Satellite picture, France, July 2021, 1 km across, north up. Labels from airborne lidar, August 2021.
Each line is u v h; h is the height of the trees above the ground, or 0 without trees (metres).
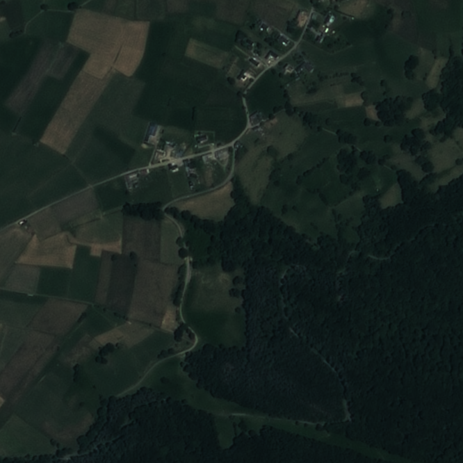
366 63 0
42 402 0
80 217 0
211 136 0
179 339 18
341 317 30
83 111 0
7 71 0
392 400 28
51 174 0
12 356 0
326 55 0
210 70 0
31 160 0
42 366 0
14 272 0
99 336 0
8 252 0
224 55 0
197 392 0
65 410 0
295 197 0
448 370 20
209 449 27
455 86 19
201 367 18
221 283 0
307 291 28
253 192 0
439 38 0
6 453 0
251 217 11
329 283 27
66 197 0
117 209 0
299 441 31
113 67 0
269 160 0
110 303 0
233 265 24
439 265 26
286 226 18
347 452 22
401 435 27
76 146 0
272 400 20
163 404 19
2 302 0
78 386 0
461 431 29
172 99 0
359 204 0
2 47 0
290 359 26
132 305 0
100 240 0
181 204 0
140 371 0
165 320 0
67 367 0
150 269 0
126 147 0
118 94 0
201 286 0
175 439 28
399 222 21
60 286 0
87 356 0
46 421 0
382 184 0
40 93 0
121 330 0
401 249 19
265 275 29
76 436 0
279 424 0
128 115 0
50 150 0
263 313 25
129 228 0
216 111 0
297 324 29
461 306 20
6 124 0
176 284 0
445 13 0
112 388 0
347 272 19
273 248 24
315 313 30
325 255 22
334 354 21
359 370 26
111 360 0
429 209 21
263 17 0
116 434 25
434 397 25
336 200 0
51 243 0
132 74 0
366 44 0
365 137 0
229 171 0
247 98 8
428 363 21
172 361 0
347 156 9
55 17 0
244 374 19
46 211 0
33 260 0
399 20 0
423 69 0
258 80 0
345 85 0
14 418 0
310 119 26
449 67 7
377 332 13
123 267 0
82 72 0
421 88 0
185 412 27
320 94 0
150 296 0
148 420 25
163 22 0
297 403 21
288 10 0
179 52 0
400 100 18
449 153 0
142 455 25
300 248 22
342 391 22
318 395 21
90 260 0
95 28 0
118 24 0
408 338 15
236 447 20
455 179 10
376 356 22
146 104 0
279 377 23
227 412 0
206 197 0
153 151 0
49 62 0
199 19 0
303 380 23
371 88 0
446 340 24
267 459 20
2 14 0
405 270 24
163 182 0
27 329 0
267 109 0
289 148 0
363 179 11
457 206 20
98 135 0
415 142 24
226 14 0
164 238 0
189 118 0
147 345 0
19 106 0
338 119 0
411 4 0
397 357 23
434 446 29
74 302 0
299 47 0
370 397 28
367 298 25
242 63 0
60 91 0
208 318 0
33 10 0
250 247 26
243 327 0
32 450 0
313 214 0
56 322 0
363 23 0
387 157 8
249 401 22
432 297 27
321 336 24
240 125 0
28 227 0
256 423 0
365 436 20
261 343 25
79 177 0
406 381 24
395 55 0
